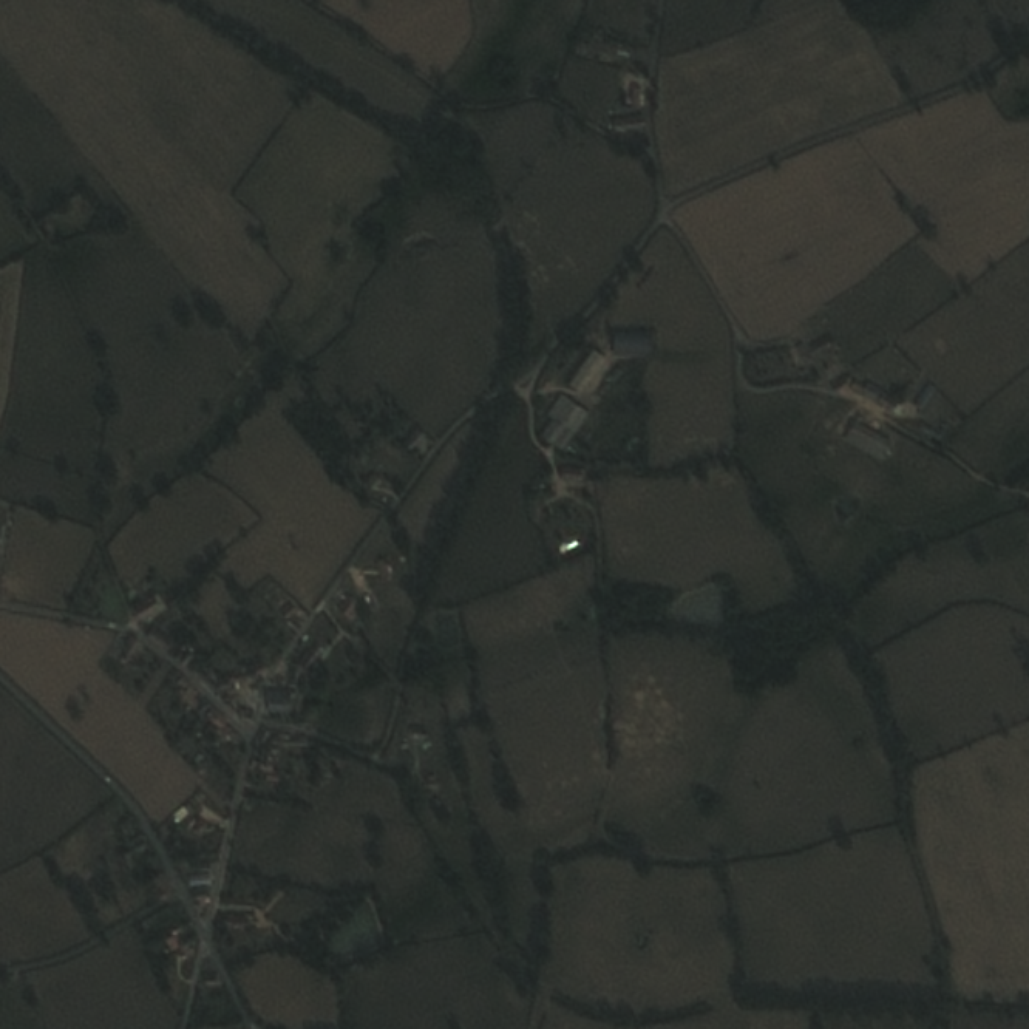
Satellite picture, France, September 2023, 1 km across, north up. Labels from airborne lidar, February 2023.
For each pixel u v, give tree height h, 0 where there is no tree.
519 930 0
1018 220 0
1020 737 0
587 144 0
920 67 0
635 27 0
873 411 0
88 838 0
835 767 0
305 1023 0
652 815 0
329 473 14
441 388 0
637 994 0
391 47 0
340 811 0
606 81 0
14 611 0
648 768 0
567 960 0
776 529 13
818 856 0
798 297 0
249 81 0
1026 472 11
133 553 0
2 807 0
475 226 0
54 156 0
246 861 0
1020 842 0
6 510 0
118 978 0
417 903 0
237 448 0
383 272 0
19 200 14
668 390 0
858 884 0
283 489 0
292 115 0
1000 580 0
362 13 0
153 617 0
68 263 0
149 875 15
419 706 0
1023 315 0
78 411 0
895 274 0
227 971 6
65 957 0
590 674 0
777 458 0
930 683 0
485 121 0
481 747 0
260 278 0
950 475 0
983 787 0
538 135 0
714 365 0
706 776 0
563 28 0
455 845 0
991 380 0
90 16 0
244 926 12
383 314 0
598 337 0
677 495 0
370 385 0
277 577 0
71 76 0
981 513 0
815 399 0
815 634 14
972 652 0
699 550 0
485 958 0
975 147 0
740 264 0
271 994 0
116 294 0
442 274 0
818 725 0
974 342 0
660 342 0
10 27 0
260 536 0
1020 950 0
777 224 0
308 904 0
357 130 0
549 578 0
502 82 6
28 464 0
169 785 0
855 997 18
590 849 7
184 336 0
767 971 0
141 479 0
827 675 0
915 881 0
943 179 0
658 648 0
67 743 0
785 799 0
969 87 9
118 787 0
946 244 0
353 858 0
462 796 7
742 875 0
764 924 0
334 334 0
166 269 0
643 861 27
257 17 0
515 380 0
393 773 8
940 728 0
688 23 0
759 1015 0
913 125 0
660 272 0
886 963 0
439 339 0
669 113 0
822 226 0
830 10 0
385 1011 0
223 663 0
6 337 0
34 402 0
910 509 0
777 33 0
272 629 8
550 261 0
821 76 0
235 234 0
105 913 0
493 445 12
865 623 0
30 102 0
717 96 0
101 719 0
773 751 0
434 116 14
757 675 8
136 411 0
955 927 0
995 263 9
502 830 0
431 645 16
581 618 8
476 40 0
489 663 0
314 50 0
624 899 0
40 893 0
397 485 13
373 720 0
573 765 0
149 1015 0
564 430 0
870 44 0
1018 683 0
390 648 0
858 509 16
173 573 0
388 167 0
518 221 0
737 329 0
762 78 0
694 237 0
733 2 0
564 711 0
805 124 0
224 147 0
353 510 0
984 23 0
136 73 0
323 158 0
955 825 0
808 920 0
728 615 11
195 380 0
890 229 0
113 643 0
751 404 0
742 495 0
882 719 16
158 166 0
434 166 21
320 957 10
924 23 0
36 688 0
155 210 0
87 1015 0
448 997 0
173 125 0
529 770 0
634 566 0
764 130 0
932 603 0
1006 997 0
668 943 0
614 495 0
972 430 0
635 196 0
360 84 0
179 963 0
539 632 0
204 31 0
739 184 0
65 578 0
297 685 12
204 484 0
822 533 0
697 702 0
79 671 0
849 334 0
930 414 0
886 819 0
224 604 0
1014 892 0
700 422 0
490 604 0
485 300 0
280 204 0
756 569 0
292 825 0
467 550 0
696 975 0
